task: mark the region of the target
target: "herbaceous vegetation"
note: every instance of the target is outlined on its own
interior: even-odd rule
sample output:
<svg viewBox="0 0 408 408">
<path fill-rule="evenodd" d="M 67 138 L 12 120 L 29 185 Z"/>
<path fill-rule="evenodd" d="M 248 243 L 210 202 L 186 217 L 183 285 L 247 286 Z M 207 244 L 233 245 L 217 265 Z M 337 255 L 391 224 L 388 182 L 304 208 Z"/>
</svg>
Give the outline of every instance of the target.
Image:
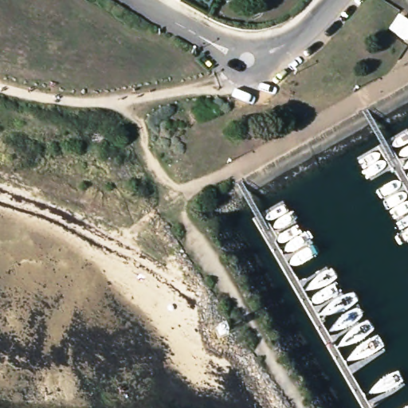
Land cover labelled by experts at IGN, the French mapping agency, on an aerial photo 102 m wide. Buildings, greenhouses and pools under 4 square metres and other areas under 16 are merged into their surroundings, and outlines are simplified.
<svg viewBox="0 0 408 408">
<path fill-rule="evenodd" d="M 137 16 L 131 11 L 121 10 L 108 0 L 0 0 L 0 83 L 10 83 L 18 88 L 61 97 L 118 94 L 121 99 L 126 99 L 129 94 L 135 92 L 174 88 L 202 81 L 206 76 L 212 75 L 212 70 L 217 69 L 217 61 L 210 51 L 167 30 L 166 33 L 156 30 L 153 33 L 151 30 L 135 29 Z"/>
<path fill-rule="evenodd" d="M 148 178 L 151 174 L 143 159 L 139 127 L 129 121 L 124 124 L 123 129 L 126 131 L 127 142 L 131 142 L 131 145 L 126 147 L 126 163 L 123 166 L 118 164 L 116 159 L 100 159 L 100 145 L 104 137 L 96 134 L 84 155 L 76 155 L 69 151 L 67 155 L 59 155 L 53 159 L 45 155 L 37 166 L 22 171 L 21 161 L 11 159 L 13 147 L 5 145 L 3 140 L 6 137 L 13 137 L 16 132 L 24 132 L 37 140 L 40 135 L 57 134 L 59 127 L 38 120 L 32 113 L 10 110 L 0 104 L 0 171 L 5 171 L 6 174 L 21 172 L 27 182 L 25 186 L 37 186 L 40 188 L 41 196 L 53 202 L 75 207 L 78 212 L 86 210 L 104 215 L 104 220 L 97 220 L 96 225 L 104 225 L 113 231 L 118 228 L 129 228 L 153 210 L 155 217 L 151 218 L 147 226 L 140 229 L 137 234 L 137 245 L 142 247 L 140 258 L 153 261 L 159 268 L 164 269 L 167 265 L 166 258 L 169 255 L 177 255 L 178 250 L 182 249 L 186 265 L 193 269 L 194 274 L 201 277 L 204 284 L 212 274 L 204 271 L 198 258 L 194 257 L 193 250 L 186 245 L 186 229 L 180 222 L 180 214 L 188 214 L 191 222 L 199 229 L 199 233 L 206 237 L 212 249 L 217 252 L 218 260 L 226 269 L 229 279 L 241 293 L 244 300 L 242 308 L 245 314 L 250 314 L 260 304 L 260 296 L 247 292 L 247 279 L 242 276 L 241 269 L 237 268 L 236 257 L 231 257 L 231 253 L 236 250 L 233 242 L 229 242 L 225 247 L 218 244 L 217 220 L 204 220 L 199 214 L 198 204 L 194 198 L 190 201 L 164 199 L 163 194 L 169 191 L 169 188 L 158 183 L 159 188 L 151 198 L 139 198 L 132 193 L 129 178 Z"/>
<path fill-rule="evenodd" d="M 229 368 L 222 384 L 229 392 L 226 400 L 226 403 L 245 405 L 247 408 L 261 408 L 260 403 L 253 398 L 252 392 L 245 389 L 239 368 Z"/>
<path fill-rule="evenodd" d="M 199 96 L 155 100 L 143 108 L 142 118 L 147 123 L 148 147 L 151 153 L 175 183 L 190 182 L 194 178 L 234 163 L 236 159 L 255 153 L 258 147 L 266 142 L 263 139 L 239 140 L 226 137 L 226 127 L 233 121 L 241 120 L 244 115 L 265 112 L 271 108 L 274 115 L 293 131 L 304 129 L 314 121 L 316 115 L 351 96 L 352 92 L 359 92 L 368 84 L 381 80 L 382 76 L 392 70 L 398 59 L 402 59 L 408 53 L 408 41 L 390 30 L 390 24 L 400 11 L 382 0 L 362 0 L 360 5 L 355 5 L 351 22 L 346 22 L 341 25 L 338 32 L 328 35 L 330 40 L 322 43 L 316 53 L 301 57 L 301 62 L 293 69 L 292 75 L 287 76 L 284 73 L 277 81 L 279 86 L 276 94 L 269 96 L 268 104 L 249 105 L 241 100 L 234 100 L 234 110 L 220 104 L 223 116 L 199 123 L 194 116 L 193 107 Z M 172 100 L 178 105 L 178 112 L 172 120 L 185 120 L 191 123 L 190 127 L 178 127 L 174 134 L 166 131 L 167 112 L 171 110 Z"/>
<path fill-rule="evenodd" d="M 265 29 L 295 18 L 296 14 L 300 14 L 312 0 L 265 0 L 269 11 L 250 16 L 244 14 L 242 18 L 250 22 L 261 21 Z"/>
<path fill-rule="evenodd" d="M 158 335 L 158 331 L 156 328 L 147 330 L 139 320 L 135 320 L 131 327 L 115 330 L 113 333 L 107 333 L 105 328 L 99 327 L 73 330 L 70 327 L 59 346 L 51 347 L 49 354 L 43 354 L 45 322 L 41 322 L 38 327 L 37 339 L 25 341 L 24 346 L 16 341 L 16 336 L 6 335 L 0 331 L 0 362 L 11 362 L 14 367 L 30 371 L 51 368 L 54 363 L 70 368 L 78 379 L 78 389 L 83 390 L 84 398 L 89 403 L 88 408 L 132 408 L 132 403 L 140 403 L 147 392 L 151 394 L 158 389 L 166 390 L 177 405 L 190 408 L 199 408 L 214 390 L 194 389 L 190 381 L 186 381 L 185 376 L 180 375 L 174 368 L 167 367 L 167 352 L 150 344 L 151 336 Z"/>
</svg>

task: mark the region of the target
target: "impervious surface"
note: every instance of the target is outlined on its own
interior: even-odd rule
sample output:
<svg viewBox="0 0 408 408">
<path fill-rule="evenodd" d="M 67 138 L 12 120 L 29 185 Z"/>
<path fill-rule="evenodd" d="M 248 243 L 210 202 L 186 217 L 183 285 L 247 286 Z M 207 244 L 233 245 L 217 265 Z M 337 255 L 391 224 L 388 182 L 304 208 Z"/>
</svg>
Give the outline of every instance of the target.
<svg viewBox="0 0 408 408">
<path fill-rule="evenodd" d="M 346 22 L 351 22 L 355 5 L 360 5 L 362 0 L 312 0 L 300 14 L 296 14 L 295 18 L 265 29 L 233 27 L 210 18 L 193 6 L 186 5 L 182 0 L 121 0 L 156 24 L 164 25 L 167 30 L 210 51 L 217 61 L 217 69 L 212 70 L 212 75 L 229 73 L 239 88 L 231 96 L 212 96 L 215 104 L 220 104 L 234 110 L 234 100 L 241 100 L 249 105 L 268 104 L 269 96 L 276 94 L 279 86 L 277 81 L 284 73 L 287 76 L 292 75 L 293 69 L 301 62 L 301 57 L 316 53 L 322 43 L 330 40 L 328 35 L 338 32 L 341 25 Z"/>
<path fill-rule="evenodd" d="M 408 0 L 382 0 L 400 11 L 390 24 L 390 30 L 408 41 Z"/>
<path fill-rule="evenodd" d="M 387 123 L 408 115 L 408 53 L 402 59 L 398 59 L 392 70 L 382 76 L 381 80 L 368 84 L 359 92 L 352 92 L 351 96 L 316 115 L 314 121 L 304 129 L 293 131 L 282 139 L 266 142 L 258 147 L 255 153 L 236 159 L 234 163 L 239 166 L 241 172 L 237 172 L 233 178 L 234 190 L 231 191 L 231 201 L 222 206 L 223 214 L 217 220 L 218 244 L 225 247 L 229 242 L 233 242 L 236 250 L 231 253 L 231 257 L 236 257 L 237 268 L 241 269 L 242 276 L 247 279 L 247 292 L 260 296 L 260 304 L 250 314 L 245 314 L 242 308 L 239 308 L 236 300 L 229 296 L 225 303 L 220 303 L 217 298 L 210 295 L 209 288 L 204 284 L 201 277 L 194 274 L 193 269 L 186 265 L 182 249 L 178 250 L 177 255 L 169 255 L 166 258 L 167 265 L 178 263 L 183 285 L 186 285 L 190 292 L 188 296 L 196 301 L 193 308 L 194 311 L 198 311 L 196 331 L 201 336 L 204 351 L 218 359 L 228 360 L 229 368 L 239 368 L 245 389 L 252 392 L 253 398 L 260 403 L 261 408 L 296 408 L 295 402 L 285 394 L 284 387 L 280 386 L 276 375 L 269 368 L 265 355 L 258 354 L 257 347 L 260 343 L 269 344 L 276 351 L 277 363 L 287 370 L 288 378 L 295 382 L 295 386 L 303 395 L 303 408 L 360 408 L 335 362 L 331 360 L 327 347 L 317 335 L 316 328 L 312 327 L 303 306 L 280 271 L 273 253 L 269 252 L 268 245 L 258 233 L 257 226 L 253 225 L 253 215 L 247 204 L 253 201 L 252 191 L 255 188 L 263 194 L 277 190 L 284 183 L 292 182 L 293 178 L 301 175 L 301 172 L 320 166 L 331 158 L 333 153 L 352 147 L 352 143 L 368 137 L 371 129 L 363 121 L 360 113 L 362 110 L 370 108 L 370 115 L 375 118 L 381 129 Z"/>
</svg>

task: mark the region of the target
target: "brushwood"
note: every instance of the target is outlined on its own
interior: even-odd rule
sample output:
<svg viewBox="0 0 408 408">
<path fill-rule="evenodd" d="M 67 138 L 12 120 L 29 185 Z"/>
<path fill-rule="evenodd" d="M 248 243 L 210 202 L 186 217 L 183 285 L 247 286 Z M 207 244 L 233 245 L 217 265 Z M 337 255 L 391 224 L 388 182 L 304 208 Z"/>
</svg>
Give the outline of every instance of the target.
<svg viewBox="0 0 408 408">
<path fill-rule="evenodd" d="M 269 11 L 265 0 L 182 0 L 186 5 L 193 6 L 210 18 L 233 27 L 265 29 L 261 21 L 250 22 L 242 18 L 244 14 L 250 16 Z"/>
<path fill-rule="evenodd" d="M 126 147 L 131 145 L 131 142 L 127 142 L 126 131 L 123 129 L 124 124 L 129 121 L 120 112 L 110 108 L 40 104 L 35 100 L 0 94 L 0 104 L 10 110 L 32 113 L 38 120 L 59 127 L 57 134 L 40 135 L 37 140 L 24 132 L 16 132 L 13 137 L 6 137 L 3 140 L 5 145 L 13 147 L 11 159 L 21 161 L 22 171 L 37 166 L 45 155 L 53 159 L 59 155 L 67 155 L 69 151 L 76 155 L 84 155 L 96 134 L 104 137 L 100 145 L 100 159 L 116 159 L 118 164 L 123 166 L 126 163 Z"/>
<path fill-rule="evenodd" d="M 218 277 L 212 274 L 204 284 L 209 288 L 210 295 L 217 298 L 220 303 L 225 303 L 229 296 L 220 290 Z"/>
<path fill-rule="evenodd" d="M 266 142 L 282 139 L 293 131 L 274 115 L 271 108 L 265 112 L 244 115 L 241 120 L 233 121 L 226 127 L 226 137 L 239 140 L 263 139 Z"/>
<path fill-rule="evenodd" d="M 153 33 L 156 30 L 166 33 L 167 30 L 164 25 L 156 24 L 121 0 L 108 0 L 121 10 L 131 11 L 137 16 L 135 29 L 151 30 Z"/>
<path fill-rule="evenodd" d="M 178 127 L 190 127 L 191 123 L 185 120 L 172 120 L 178 112 L 178 105 L 172 100 L 171 110 L 167 112 L 166 131 L 174 134 Z"/>
<path fill-rule="evenodd" d="M 199 123 L 223 116 L 220 104 L 215 104 L 212 96 L 199 96 L 193 107 L 194 116 Z"/>
<path fill-rule="evenodd" d="M 231 191 L 234 190 L 233 178 L 204 186 L 194 198 L 198 204 L 199 214 L 204 220 L 217 220 L 223 214 L 222 206 L 231 201 Z"/>
<path fill-rule="evenodd" d="M 151 198 L 159 188 L 158 183 L 151 174 L 148 178 L 129 178 L 132 193 L 139 198 Z"/>
</svg>

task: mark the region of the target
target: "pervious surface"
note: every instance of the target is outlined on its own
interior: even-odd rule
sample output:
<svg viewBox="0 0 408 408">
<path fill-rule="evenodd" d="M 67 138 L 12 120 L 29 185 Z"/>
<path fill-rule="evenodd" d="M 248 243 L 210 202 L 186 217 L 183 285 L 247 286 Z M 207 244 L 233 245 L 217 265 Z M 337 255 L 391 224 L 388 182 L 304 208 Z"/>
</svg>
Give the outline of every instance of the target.
<svg viewBox="0 0 408 408">
<path fill-rule="evenodd" d="M 126 99 L 121 99 L 118 94 L 61 97 L 18 88 L 10 83 L 0 83 L 0 94 L 35 100 L 40 104 L 110 108 L 120 112 L 129 121 L 139 127 L 143 159 L 151 174 L 158 183 L 169 188 L 169 191 L 163 194 L 164 199 L 190 201 L 194 198 L 204 186 L 233 178 L 237 172 L 241 172 L 239 166 L 234 163 L 194 178 L 190 182 L 175 183 L 151 153 L 148 147 L 147 123 L 142 118 L 143 108 L 155 100 L 199 96 L 212 96 L 231 96 L 239 88 L 229 73 L 212 75 L 206 76 L 202 81 L 174 88 L 135 92 L 129 94 Z"/>
<path fill-rule="evenodd" d="M 191 222 L 188 214 L 180 214 L 180 222 L 186 229 L 186 245 L 193 250 L 194 257 L 198 258 L 204 271 L 212 274 L 218 277 L 220 290 L 229 296 L 236 300 L 239 308 L 242 308 L 244 300 L 241 293 L 229 279 L 226 269 L 218 260 L 217 252 L 212 249 L 206 237 L 199 233 L 199 229 Z"/>
<path fill-rule="evenodd" d="M 285 394 L 295 402 L 296 408 L 303 408 L 303 395 L 295 386 L 295 382 L 288 378 L 287 370 L 277 363 L 276 351 L 269 344 L 260 343 L 257 347 L 258 354 L 265 355 L 269 368 L 276 375 L 280 386 L 284 387 Z"/>
</svg>

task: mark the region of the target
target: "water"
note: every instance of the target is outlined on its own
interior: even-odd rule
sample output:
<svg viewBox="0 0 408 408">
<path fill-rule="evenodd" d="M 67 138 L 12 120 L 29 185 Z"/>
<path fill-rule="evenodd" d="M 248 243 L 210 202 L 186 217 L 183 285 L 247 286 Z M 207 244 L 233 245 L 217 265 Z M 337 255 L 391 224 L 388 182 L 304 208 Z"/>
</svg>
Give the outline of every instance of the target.
<svg viewBox="0 0 408 408">
<path fill-rule="evenodd" d="M 226 400 L 218 397 L 214 390 L 199 408 L 247 408 L 245 405 L 226 403 Z"/>
<path fill-rule="evenodd" d="M 132 408 L 190 408 L 177 405 L 166 390 L 158 389 L 151 394 L 147 392 L 140 403 L 132 403 Z"/>
<path fill-rule="evenodd" d="M 54 405 L 51 402 L 45 405 L 13 403 L 0 398 L 0 408 L 75 408 L 69 405 Z"/>
<path fill-rule="evenodd" d="M 408 115 L 387 123 L 381 129 L 375 118 L 370 115 L 370 108 L 362 110 L 360 113 L 363 121 L 371 129 L 368 137 L 352 143 L 352 147 L 333 153 L 331 158 L 320 166 L 301 172 L 301 175 L 293 178 L 292 182 L 284 183 L 277 190 L 263 194 L 255 188 L 252 191 L 253 201 L 247 204 L 253 215 L 253 225 L 257 226 L 258 233 L 268 245 L 269 252 L 273 253 L 280 271 L 303 306 L 312 327 L 316 328 L 317 335 L 327 347 L 331 360 L 335 362 L 360 408 L 408 408 Z"/>
</svg>

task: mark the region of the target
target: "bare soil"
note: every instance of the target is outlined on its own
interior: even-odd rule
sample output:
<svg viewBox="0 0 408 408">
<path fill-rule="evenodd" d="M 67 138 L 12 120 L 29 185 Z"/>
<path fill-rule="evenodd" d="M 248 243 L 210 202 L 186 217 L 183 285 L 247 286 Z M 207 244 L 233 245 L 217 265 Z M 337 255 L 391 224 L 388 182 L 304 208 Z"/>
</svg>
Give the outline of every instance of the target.
<svg viewBox="0 0 408 408">
<path fill-rule="evenodd" d="M 45 405 L 51 402 L 54 405 L 69 405 L 75 408 L 88 408 L 89 403 L 84 398 L 83 390 L 78 389 L 78 379 L 70 368 L 54 363 L 51 368 L 30 371 L 14 367 L 11 362 L 0 362 L 0 398 L 13 403 Z"/>
<path fill-rule="evenodd" d="M 97 220 L 104 220 L 104 215 L 86 210 L 78 212 L 75 207 L 53 202 L 41 196 L 40 188 L 37 186 L 25 186 L 27 182 L 21 172 L 6 174 L 5 171 L 0 171 L 0 331 L 6 335 L 16 336 L 16 341 L 24 346 L 25 341 L 37 339 L 38 327 L 41 322 L 45 322 L 43 354 L 49 354 L 51 347 L 59 346 L 70 327 L 73 330 L 99 327 L 105 328 L 107 333 L 113 333 L 115 330 L 131 327 L 135 320 L 139 320 L 147 330 L 156 328 L 158 331 L 158 335 L 151 336 L 150 344 L 167 352 L 167 367 L 174 368 L 180 375 L 185 376 L 186 381 L 190 381 L 194 389 L 214 390 L 218 397 L 226 400 L 229 392 L 222 384 L 229 368 L 228 360 L 218 359 L 204 351 L 201 336 L 196 331 L 198 311 L 194 311 L 193 308 L 196 301 L 188 296 L 190 292 L 186 285 L 183 285 L 178 263 L 167 265 L 164 269 L 159 268 L 153 261 L 140 258 L 142 247 L 137 245 L 137 234 L 140 229 L 147 226 L 151 218 L 155 217 L 153 210 L 129 228 L 118 228 L 113 231 L 104 225 L 96 225 Z"/>
</svg>

